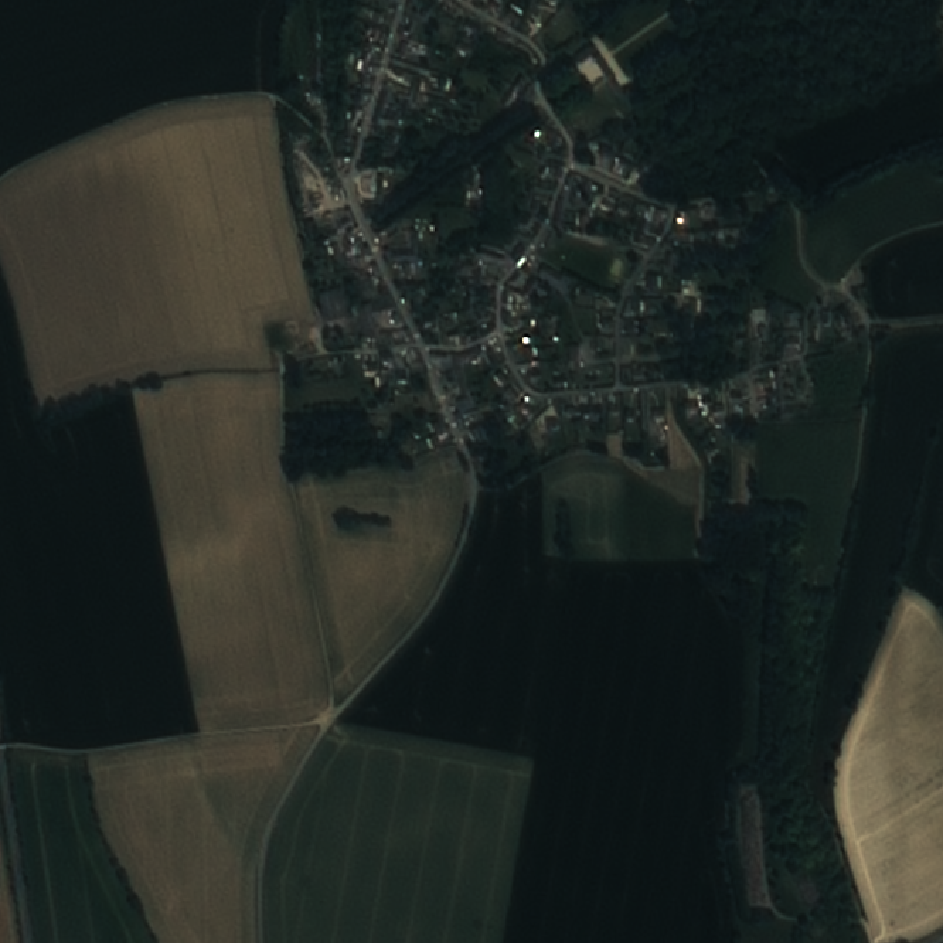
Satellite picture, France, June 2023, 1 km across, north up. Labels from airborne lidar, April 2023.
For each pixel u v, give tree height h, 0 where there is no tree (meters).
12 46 0
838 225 0
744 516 26
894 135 0
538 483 0
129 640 0
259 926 0
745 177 19
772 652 16
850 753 0
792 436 0
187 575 0
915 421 0
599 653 0
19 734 0
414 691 0
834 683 0
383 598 0
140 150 0
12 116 0
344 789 0
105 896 0
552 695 0
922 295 0
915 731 0
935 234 0
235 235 0
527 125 14
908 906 0
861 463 0
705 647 0
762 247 21
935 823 0
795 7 20
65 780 0
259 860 0
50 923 0
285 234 0
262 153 0
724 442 0
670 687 0
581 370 0
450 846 0
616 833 0
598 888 0
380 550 0
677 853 0
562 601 0
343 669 0
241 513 0
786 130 15
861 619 0
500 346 0
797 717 12
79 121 0
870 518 0
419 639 0
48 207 0
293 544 0
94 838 0
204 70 0
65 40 0
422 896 0
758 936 0
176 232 0
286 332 0
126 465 0
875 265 0
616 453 0
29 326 0
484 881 0
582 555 0
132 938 0
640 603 0
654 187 23
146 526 0
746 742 0
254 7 0
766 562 9
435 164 13
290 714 0
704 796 0
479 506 0
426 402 0
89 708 0
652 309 0
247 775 0
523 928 0
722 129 19
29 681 0
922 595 0
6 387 0
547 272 0
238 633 0
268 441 0
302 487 0
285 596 0
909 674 0
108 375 0
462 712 0
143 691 0
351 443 23
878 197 0
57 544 0
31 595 0
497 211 21
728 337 10
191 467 0
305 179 0
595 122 0
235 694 0
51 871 0
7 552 0
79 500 0
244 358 0
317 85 11
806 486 0
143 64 0
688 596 0
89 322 0
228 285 0
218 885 0
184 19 0
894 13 19
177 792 0
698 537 0
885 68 18
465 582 0
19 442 0
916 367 0
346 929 0
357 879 0
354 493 0
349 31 8
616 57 0
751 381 0
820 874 11
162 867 0
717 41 25
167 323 0
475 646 0
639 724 0
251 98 0
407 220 0
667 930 0
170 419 0
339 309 0
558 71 22
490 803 0
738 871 16
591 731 0
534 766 0
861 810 0
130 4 0
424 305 6
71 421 0
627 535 0
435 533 0
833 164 0
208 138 0
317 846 0
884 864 0
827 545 0
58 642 0
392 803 0
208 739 0
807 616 14
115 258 0
